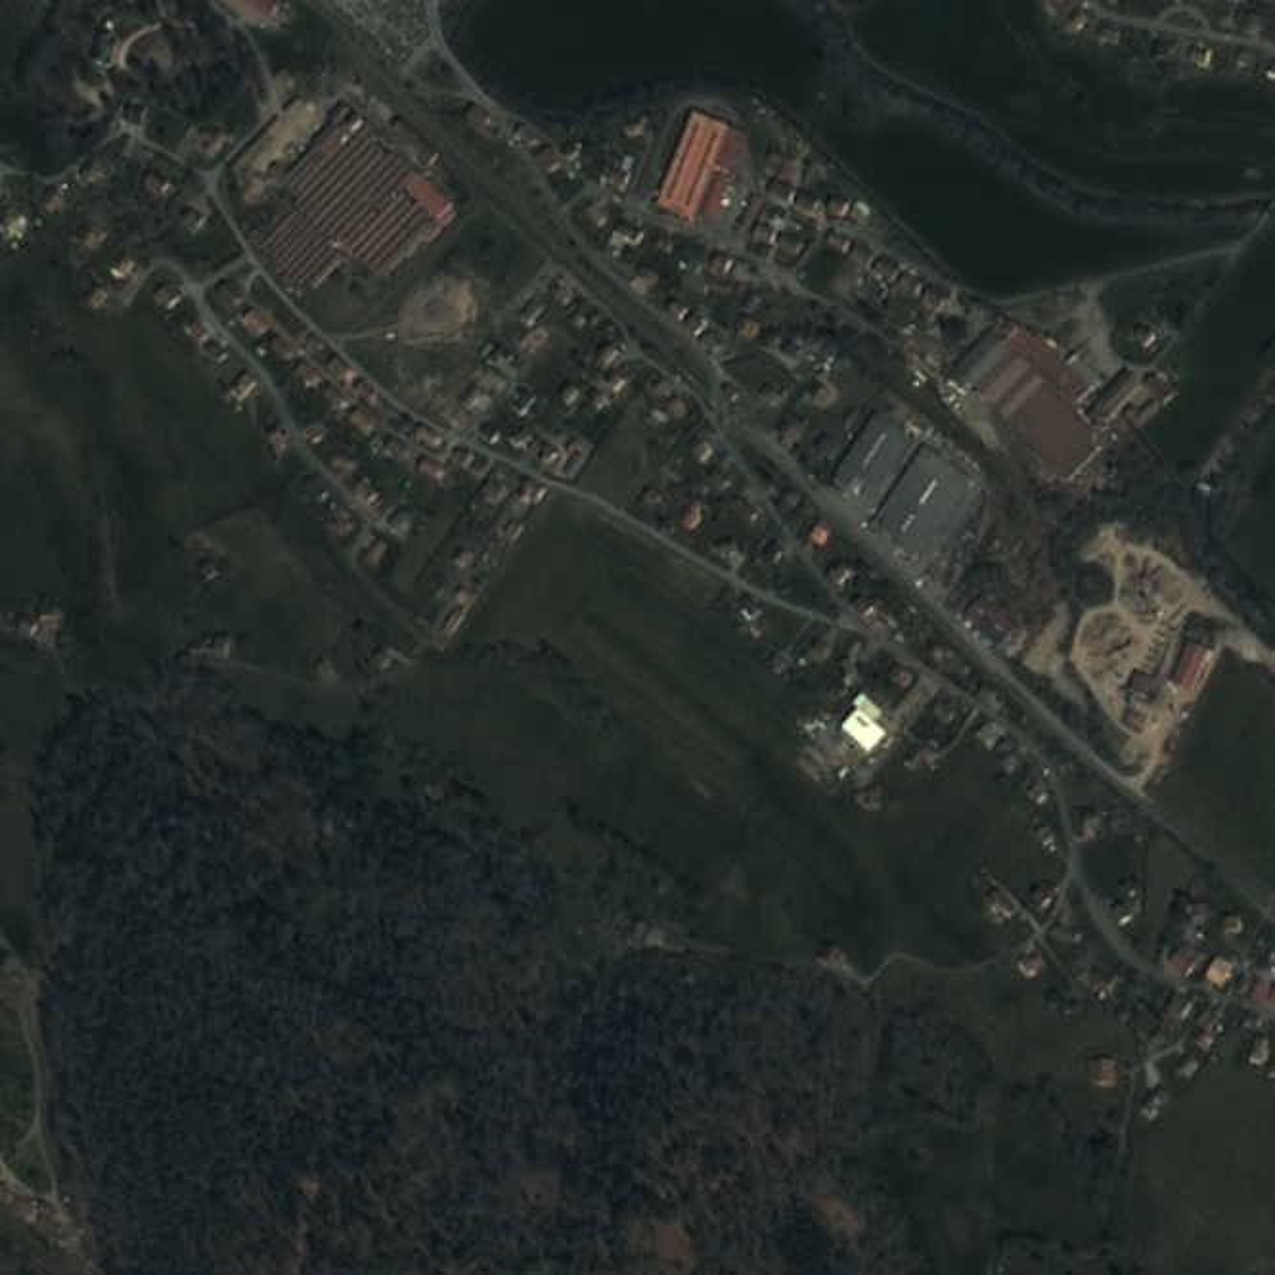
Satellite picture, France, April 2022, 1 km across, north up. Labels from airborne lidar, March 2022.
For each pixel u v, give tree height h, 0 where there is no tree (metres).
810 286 0
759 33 0
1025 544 0
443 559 0
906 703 0
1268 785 0
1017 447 0
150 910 13
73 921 22
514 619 0
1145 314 0
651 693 0
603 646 0
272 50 0
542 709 0
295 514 0
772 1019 18
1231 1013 0
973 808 0
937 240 0
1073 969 0
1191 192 0
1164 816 0
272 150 0
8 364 0
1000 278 0
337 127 0
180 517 0
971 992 0
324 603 0
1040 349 0
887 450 0
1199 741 0
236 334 0
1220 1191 0
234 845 29
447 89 0
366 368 0
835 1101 19
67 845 10
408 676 0
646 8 0
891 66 0
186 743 10
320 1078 34
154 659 0
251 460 0
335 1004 29
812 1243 24
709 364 0
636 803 0
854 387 0
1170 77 11
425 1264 19
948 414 0
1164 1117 0
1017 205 0
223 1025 21
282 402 0
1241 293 0
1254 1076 0
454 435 0
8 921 0
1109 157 0
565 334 0
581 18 0
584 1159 15
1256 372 0
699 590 0
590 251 0
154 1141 24
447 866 32
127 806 14
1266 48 0
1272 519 0
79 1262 0
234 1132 21
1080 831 0
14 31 0
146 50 0
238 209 0
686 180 0
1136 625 0
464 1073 21
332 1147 20
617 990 7
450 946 23
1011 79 0
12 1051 0
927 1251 8
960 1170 0
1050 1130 0
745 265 0
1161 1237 0
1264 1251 0
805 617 0
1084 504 7
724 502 7
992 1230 0
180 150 0
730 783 0
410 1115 27
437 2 0
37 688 0
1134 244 0
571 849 0
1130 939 0
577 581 0
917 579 0
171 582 0
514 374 0
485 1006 14
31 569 0
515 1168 27
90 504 0
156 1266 26
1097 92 0
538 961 21
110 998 25
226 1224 19
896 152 0
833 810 0
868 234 0
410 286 0
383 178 0
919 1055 13
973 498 0
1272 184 0
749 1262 23
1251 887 0
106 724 26
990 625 0
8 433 0
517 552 0
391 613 0
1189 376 0
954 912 0
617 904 10
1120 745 0
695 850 0
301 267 0
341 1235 24
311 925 24
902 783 0
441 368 0
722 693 0
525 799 0
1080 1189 0
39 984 0
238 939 27
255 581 0
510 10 0
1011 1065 0
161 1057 29
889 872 0
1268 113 0
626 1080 27
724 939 0
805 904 0
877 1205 20
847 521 0
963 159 0
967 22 0
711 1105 15
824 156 7
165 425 0
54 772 18
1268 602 0
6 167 0
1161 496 13
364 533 0
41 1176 17
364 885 22
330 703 0
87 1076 23
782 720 0
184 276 0
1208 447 0
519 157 0
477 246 0
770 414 0
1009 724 0
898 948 0
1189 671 0
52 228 0
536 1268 23
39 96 26
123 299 0
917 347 0
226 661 0
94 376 14
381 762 14
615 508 0
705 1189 24
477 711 0
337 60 7
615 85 0
